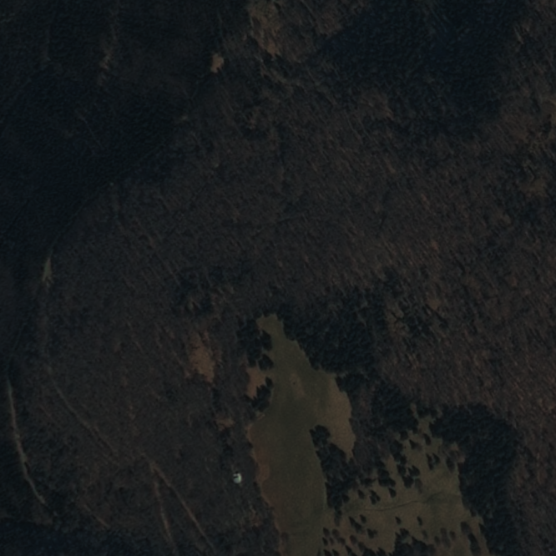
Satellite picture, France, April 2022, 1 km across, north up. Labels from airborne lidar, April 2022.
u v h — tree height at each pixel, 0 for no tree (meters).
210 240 23
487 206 28
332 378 0
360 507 0
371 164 25
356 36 28
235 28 15
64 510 18
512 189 26
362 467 13
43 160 20
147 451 19
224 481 22
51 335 10
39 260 16
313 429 0
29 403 24
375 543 0
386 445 18
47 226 17
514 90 27
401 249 24
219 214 25
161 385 19
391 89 25
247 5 24
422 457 0
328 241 21
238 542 19
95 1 25
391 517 0
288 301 17
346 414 0
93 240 25
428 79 20
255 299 18
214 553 23
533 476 33
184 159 15
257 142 25
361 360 25
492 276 24
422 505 0
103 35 18
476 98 25
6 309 17
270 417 0
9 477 16
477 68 27
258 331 22
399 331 10
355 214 24
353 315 17
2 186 19
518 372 28
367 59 32
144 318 20
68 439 19
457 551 0
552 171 28
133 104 18
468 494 24
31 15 24
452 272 27
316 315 13
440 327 19
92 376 20
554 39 21
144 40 19
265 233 22
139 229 27
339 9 30
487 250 25
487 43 25
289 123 23
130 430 23
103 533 25
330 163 21
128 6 18
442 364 24
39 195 16
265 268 21
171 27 18
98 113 19
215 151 26
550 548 31
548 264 28
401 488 0
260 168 25
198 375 7
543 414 26
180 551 22
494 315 12
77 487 22
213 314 20
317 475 0
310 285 20
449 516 0
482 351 27
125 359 17
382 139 23
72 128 18
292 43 18
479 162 24
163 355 17
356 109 29
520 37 25
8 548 18
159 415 22
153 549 23
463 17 16
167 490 22
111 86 15
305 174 23
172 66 17
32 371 23
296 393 0
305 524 0
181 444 23
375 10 22
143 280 22
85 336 19
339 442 0
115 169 21
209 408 17
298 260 21
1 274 15
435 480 0
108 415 23
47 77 25
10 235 18
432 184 24
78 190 19
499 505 24
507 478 26
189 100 18
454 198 26
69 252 22
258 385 0
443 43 0
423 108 30
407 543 0
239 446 17
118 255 25
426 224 28
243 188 24
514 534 24
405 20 38
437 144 24
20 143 18
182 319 22
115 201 28
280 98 18
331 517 0
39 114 22
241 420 15
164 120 21
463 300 20
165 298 22
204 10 16
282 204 25
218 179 24
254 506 19
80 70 18
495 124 23
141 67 18
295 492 0
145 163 13
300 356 0
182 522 20
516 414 25
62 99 24
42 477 22
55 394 18
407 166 29
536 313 26
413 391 26
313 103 27
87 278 22
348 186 24
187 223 26
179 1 17
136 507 28
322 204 23
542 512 29
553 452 14
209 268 23
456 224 27
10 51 26
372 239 22
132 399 19
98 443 21
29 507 20
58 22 24
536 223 30
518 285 9
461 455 14
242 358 18
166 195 27
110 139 16
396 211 25
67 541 27
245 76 21
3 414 18
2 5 26
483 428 25
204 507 21
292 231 20
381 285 24
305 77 30
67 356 17
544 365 28
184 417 19
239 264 21
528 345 7
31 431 23
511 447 32
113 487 24
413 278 24
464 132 30
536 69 26
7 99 28
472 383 24
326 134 25
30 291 15
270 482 0
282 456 0
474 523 0
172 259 20
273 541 17
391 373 22
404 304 22
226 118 25
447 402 19
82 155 20
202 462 20
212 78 15
